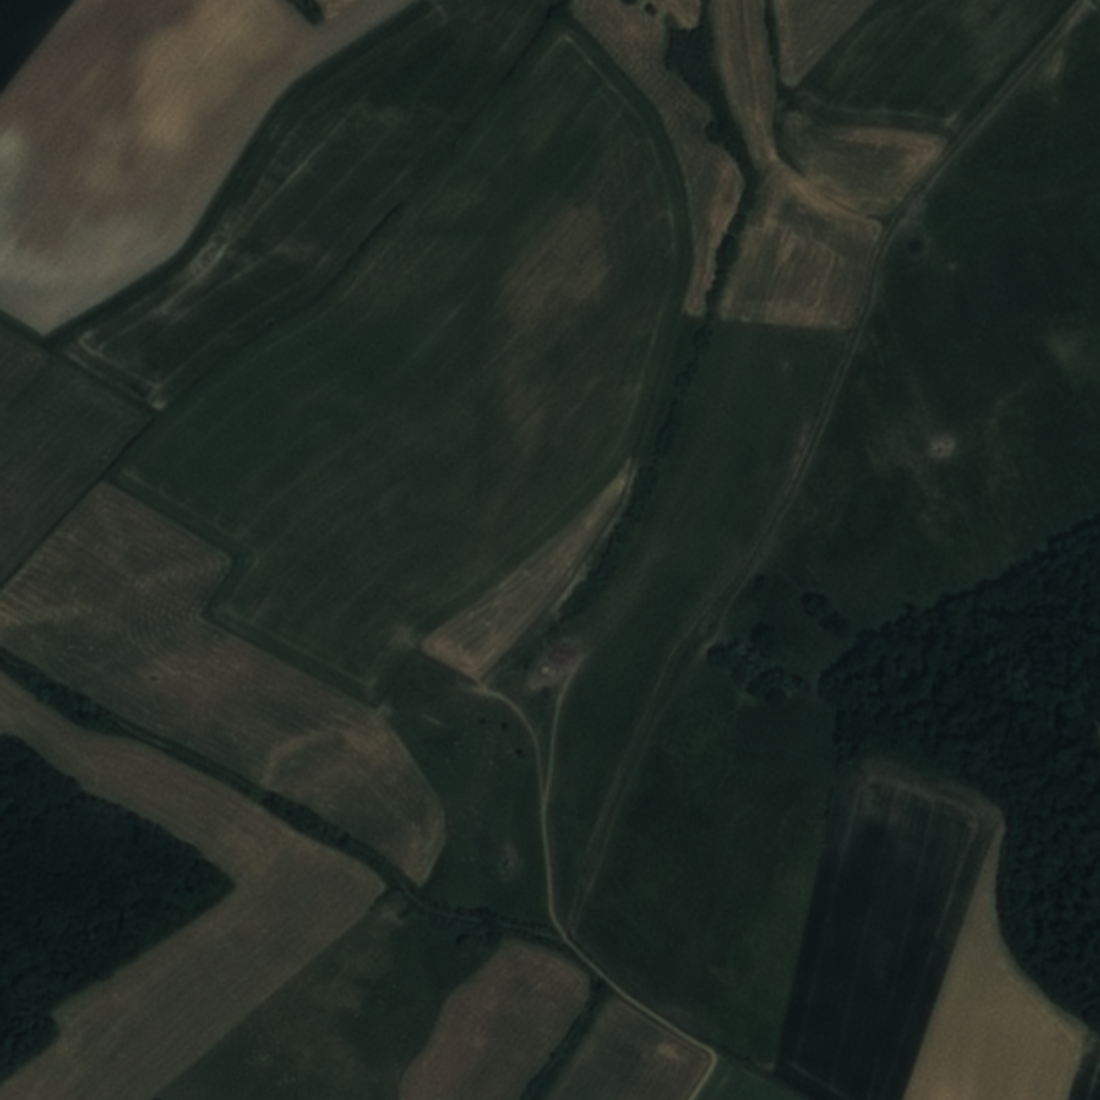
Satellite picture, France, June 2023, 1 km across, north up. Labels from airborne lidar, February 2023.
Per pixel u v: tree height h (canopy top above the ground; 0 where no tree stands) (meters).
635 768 0
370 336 0
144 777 0
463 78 0
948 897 0
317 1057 0
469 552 0
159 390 0
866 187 0
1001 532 0
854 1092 0
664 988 0
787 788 0
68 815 24
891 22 0
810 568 0
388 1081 0
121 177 0
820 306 0
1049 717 16
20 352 0
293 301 0
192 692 0
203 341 0
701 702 0
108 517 0
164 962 0
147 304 0
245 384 0
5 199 0
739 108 0
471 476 0
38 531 0
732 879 0
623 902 0
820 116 0
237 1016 0
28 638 0
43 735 0
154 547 0
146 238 0
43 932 24
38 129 0
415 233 0
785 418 0
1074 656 27
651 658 0
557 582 0
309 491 0
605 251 0
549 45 0
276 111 0
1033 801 22
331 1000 0
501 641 0
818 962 0
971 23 0
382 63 0
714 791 0
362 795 0
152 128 0
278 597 0
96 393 0
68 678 0
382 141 0
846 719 15
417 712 0
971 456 0
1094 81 0
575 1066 0
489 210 0
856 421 0
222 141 0
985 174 0
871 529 0
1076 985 14
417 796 0
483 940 7
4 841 27
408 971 0
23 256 0
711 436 0
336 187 0
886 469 0
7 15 0
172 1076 0
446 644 0
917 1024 0
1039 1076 0
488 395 0
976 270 0
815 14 0
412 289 0
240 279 0
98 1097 0
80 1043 0
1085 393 0
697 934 0
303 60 0
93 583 0
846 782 0
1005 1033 0
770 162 0
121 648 0
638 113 0
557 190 0
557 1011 0
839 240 0
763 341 0
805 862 0
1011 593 24
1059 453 0
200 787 0
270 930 0
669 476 0
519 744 0
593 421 0
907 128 0
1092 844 32
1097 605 24
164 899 26
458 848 0
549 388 0
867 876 0
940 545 0
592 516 0
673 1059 0
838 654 0
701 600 0
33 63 0
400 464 0
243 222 0
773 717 0
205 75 0
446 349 0
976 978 0
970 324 0
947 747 26
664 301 0
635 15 0
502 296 0
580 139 0
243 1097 0
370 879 0
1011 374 0
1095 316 0
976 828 0
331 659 0
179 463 0
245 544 0
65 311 0
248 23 0
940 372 0
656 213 0
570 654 0
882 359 0
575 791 0
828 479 0
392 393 0
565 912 0
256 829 0
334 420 0
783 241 0
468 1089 0
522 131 0
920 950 0
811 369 0
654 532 0
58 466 0
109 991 0
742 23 0
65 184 0
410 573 0
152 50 0
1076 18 0
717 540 0
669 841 0
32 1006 18
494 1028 0
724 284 7
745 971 0
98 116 0
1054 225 0
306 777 0
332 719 0
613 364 0
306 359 0
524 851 0
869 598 0
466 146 0
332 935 0
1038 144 0
